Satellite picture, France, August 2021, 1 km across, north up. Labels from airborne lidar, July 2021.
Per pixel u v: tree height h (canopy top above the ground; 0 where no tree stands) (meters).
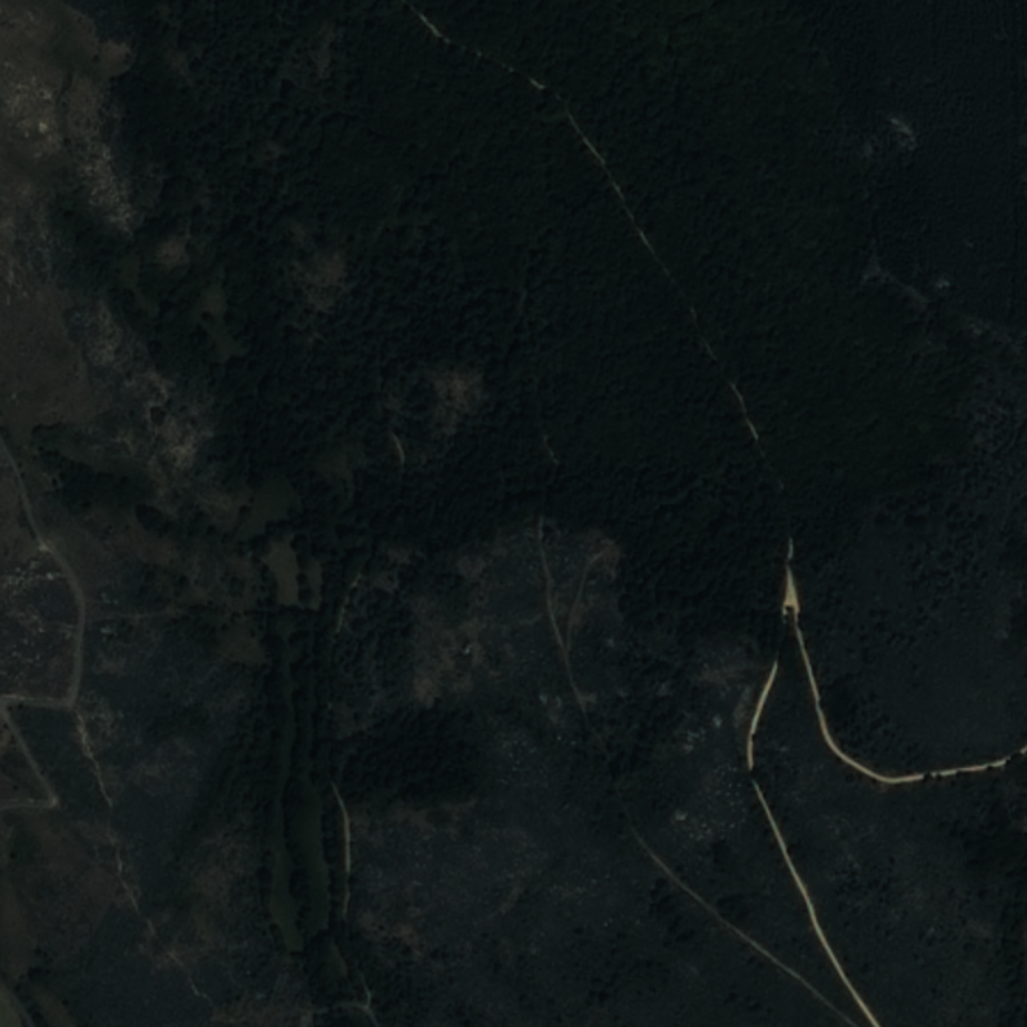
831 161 7
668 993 0
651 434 15
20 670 0
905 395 13
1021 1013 8
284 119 20
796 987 0
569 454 11
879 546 0
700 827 0
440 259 12
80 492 12
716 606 14
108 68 0
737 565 8
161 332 17
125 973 0
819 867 0
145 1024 0
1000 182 12
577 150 8
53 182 0
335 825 11
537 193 21
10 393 0
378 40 19
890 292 10
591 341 15
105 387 0
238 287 21
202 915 0
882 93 11
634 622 10
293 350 15
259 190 17
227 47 17
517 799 0
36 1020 13
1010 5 11
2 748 0
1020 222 14
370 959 11
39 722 0
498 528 7
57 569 0
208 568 0
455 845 0
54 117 0
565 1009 0
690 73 11
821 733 0
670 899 7
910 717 0
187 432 0
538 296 17
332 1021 16
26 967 0
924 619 6
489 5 19
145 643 0
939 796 0
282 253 17
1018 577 7
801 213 13
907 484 13
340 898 12
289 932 0
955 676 0
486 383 9
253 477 17
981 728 0
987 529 7
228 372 14
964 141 15
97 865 0
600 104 19
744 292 15
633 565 13
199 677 0
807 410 11
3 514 0
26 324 0
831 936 0
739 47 13
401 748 12
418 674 0
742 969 0
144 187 9
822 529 15
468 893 0
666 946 6
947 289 12
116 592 0
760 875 0
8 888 0
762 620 11
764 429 8
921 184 14
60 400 0
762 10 9
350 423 14
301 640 13
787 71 9
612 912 0
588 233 18
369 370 14
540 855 0
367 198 15
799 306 15
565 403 12
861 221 9
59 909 0
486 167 15
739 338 10
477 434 11
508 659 0
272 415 22
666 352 15
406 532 13
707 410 14
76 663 0
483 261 19
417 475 11
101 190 0
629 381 13
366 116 13
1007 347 6
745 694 0
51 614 0
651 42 14
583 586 0
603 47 12
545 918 0
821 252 11
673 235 13
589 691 0
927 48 13
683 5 9
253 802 9
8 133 0
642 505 20
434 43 14
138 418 9
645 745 11
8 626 0
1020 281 14
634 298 17
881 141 9
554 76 14
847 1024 0
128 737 0
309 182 13
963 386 10
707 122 16
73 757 0
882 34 14
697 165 19
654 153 14
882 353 9
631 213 12
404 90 17
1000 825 10
